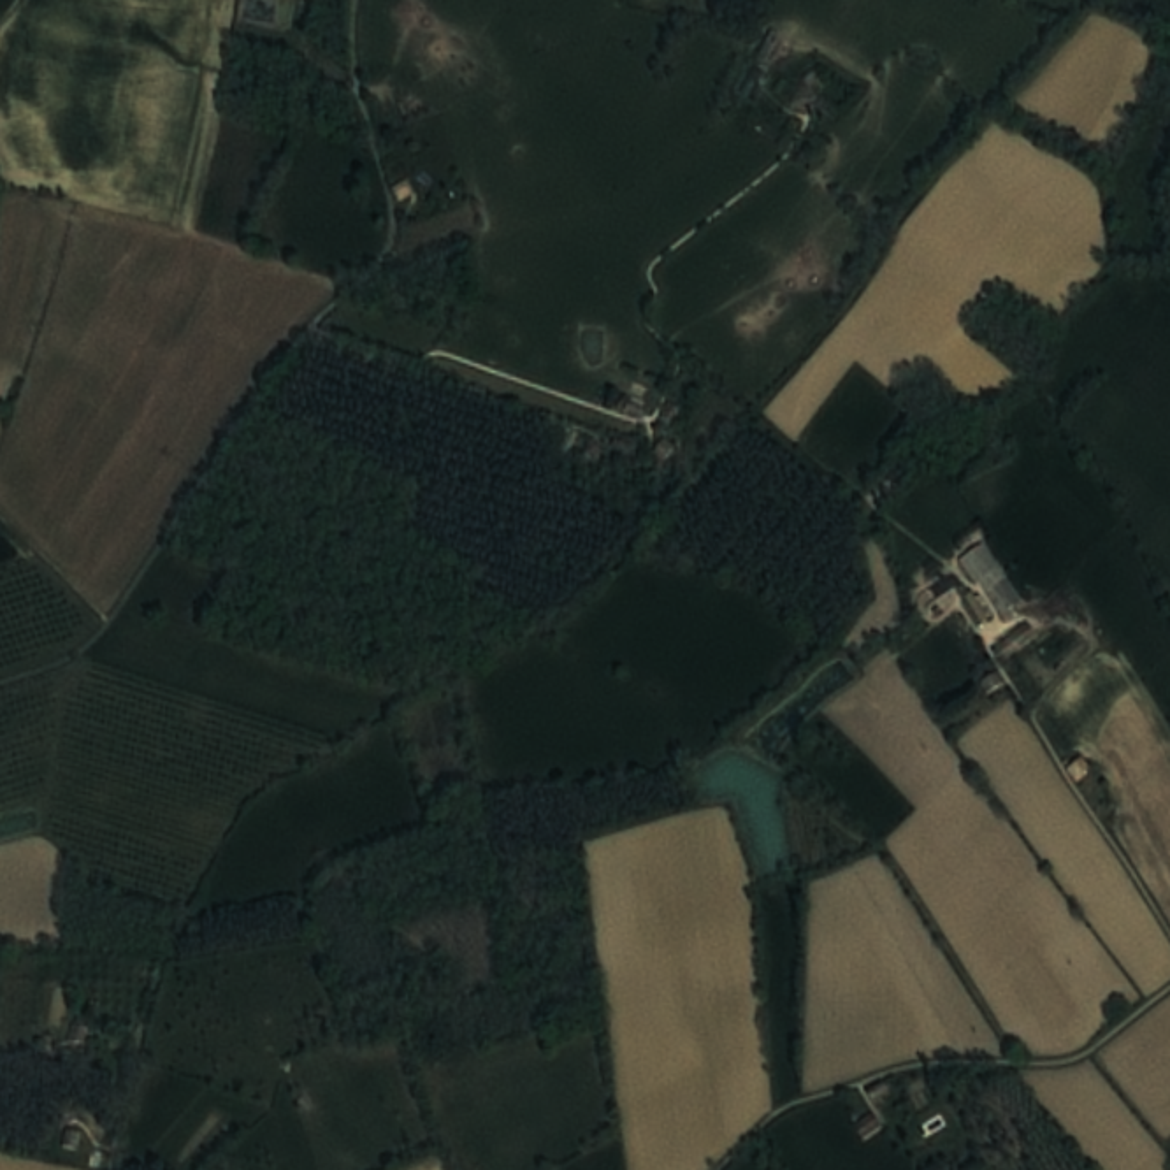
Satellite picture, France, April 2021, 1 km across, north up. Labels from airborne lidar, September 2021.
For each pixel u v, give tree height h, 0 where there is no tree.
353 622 22
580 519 15
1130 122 19
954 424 22
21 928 0
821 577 18
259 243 17
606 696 0
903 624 19
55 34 0
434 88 0
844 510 15
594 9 0
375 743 0
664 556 17
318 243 0
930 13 0
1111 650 0
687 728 0
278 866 0
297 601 21
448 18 0
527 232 0
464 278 22
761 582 14
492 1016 18
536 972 22
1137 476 0
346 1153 0
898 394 16
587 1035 17
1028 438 0
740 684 0
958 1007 0
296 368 16
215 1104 0
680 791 14
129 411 0
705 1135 0
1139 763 0
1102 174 23
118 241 0
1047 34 13
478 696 0
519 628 18
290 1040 0
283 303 0
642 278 0
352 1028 18
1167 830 0
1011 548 0
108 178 0
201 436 0
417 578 20
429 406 15
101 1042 8
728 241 0
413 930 20
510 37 0
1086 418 0
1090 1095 0
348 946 12
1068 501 0
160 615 17
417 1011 22
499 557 19
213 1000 8
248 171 0
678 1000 0
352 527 23
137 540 0
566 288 0
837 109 7
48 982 0
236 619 19
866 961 0
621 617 0
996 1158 8
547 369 0
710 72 0
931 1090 7
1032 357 15
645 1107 0
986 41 0
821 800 7
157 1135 0
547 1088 0
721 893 0
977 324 20
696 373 11
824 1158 0
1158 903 0
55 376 0
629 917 0
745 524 14
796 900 17
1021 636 0
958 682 0
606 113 0
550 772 0
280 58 21
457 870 23
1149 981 0
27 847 0
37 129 0
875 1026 0
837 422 0
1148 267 19
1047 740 0
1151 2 6
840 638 16
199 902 6
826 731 15
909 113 0
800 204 0
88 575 0
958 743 9
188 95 0
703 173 0
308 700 0
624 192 0
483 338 0
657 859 0
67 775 0
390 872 17
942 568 0
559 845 14
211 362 0
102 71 0
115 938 19
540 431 14
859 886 0
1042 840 0
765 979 6
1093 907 0
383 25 0
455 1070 0
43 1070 16
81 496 0
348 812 0
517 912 22
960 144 20
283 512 20
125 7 0
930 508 0
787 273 0
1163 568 0
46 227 0
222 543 20
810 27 0
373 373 16
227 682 0
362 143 19
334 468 23
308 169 0
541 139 0
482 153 0
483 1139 0
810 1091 0
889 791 0
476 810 23
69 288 0
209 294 0
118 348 0
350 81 7
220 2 0
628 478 10
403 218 10
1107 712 0
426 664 16
